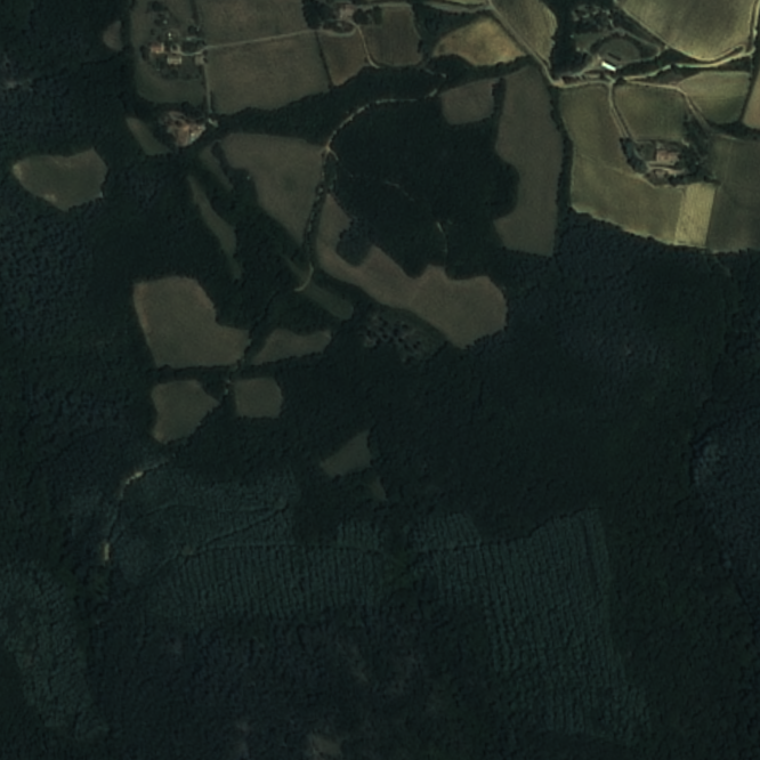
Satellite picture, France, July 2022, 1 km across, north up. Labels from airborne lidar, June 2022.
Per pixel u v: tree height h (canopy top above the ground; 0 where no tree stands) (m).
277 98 0
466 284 0
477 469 10
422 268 7
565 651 14
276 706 5
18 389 15
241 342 0
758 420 11
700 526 17
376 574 11
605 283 18
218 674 8
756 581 14
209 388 11
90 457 13
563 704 11
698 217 0
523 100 0
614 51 0
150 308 0
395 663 8
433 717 10
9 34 17
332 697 11
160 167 14
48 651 16
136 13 0
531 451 15
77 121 9
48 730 15
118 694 9
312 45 0
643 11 0
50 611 8
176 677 7
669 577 16
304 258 12
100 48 13
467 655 13
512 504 13
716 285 11
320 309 8
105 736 10
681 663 11
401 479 18
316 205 10
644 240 13
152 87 0
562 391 14
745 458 19
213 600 14
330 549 14
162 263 9
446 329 0
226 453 16
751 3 0
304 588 13
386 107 11
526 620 11
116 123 13
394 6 0
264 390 0
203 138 10
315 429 14
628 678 10
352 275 0
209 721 7
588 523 14
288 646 18
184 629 12
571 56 14
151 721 9
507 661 14
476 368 12
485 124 8
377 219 11
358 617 7
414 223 9
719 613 16
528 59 10
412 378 10
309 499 11
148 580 5
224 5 0
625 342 15
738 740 12
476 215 14
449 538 11
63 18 10
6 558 18
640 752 14
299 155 0
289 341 0
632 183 0
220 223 0
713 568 15
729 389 9
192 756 7
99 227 8
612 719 13
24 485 10
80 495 11
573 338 14
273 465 14
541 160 0
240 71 0
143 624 8
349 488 10
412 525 11
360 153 7
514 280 13
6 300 21
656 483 17
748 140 0
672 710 12
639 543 8
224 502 16
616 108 0
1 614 12
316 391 13
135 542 11
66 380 10
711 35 0
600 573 17
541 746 8
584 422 13
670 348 11
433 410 11
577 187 0
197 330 0
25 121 7
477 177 10
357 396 16
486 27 0
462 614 10
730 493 22
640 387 15
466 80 6
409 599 9
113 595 8
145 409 13
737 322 15
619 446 15
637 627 12
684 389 13
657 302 16
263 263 9
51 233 9
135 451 8
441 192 12
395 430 13
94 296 8
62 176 0
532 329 12
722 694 16
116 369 11
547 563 12
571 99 0
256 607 14
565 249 15
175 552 11
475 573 9
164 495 9
